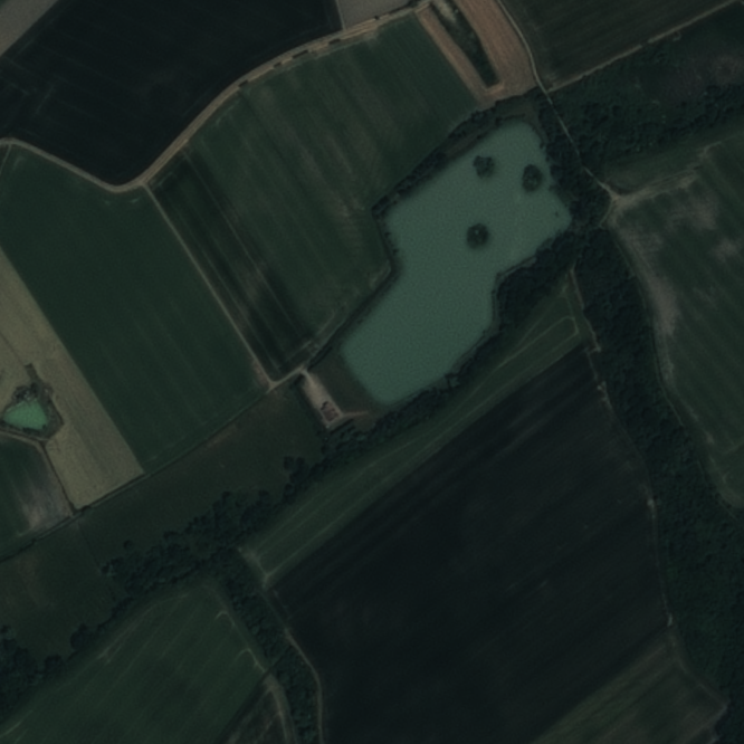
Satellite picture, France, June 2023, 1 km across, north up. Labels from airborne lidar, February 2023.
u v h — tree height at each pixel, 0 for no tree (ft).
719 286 0
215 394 0
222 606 0
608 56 0
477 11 0
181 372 0
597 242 51
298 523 0
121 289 0
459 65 0
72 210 0
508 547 0
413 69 0
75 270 0
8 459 0
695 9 0
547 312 0
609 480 0
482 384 0
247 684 0
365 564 0
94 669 0
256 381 0
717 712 0
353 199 0
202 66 0
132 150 0
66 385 0
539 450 0
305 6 0
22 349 0
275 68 0
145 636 0
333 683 0
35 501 0
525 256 0
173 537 51
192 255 0
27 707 0
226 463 0
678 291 0
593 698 0
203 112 0
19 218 0
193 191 0
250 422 0
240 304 0
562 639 0
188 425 0
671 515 23
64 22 0
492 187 0
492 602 0
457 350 0
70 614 0
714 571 19
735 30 0
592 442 0
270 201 0
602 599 0
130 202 0
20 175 0
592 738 0
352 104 0
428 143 0
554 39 0
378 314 0
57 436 0
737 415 0
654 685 0
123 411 0
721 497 28
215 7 0
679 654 0
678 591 20
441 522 0
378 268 0
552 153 41
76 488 0
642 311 36
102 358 0
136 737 0
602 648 0
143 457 0
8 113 0
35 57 0
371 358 0
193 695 0
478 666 0
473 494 0
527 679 0
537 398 0
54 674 19
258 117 0
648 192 0
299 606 0
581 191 26
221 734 0
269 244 0
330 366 0
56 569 0
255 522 75
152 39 0
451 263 0
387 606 0
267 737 0
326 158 0
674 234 0
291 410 0
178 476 0
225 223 0
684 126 50
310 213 0
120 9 0
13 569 0
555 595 0
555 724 0
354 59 0
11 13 0
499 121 40
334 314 0
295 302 0
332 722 0
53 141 0
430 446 0
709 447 0
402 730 0
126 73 0
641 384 29
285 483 0
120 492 0
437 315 0
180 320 0
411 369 0
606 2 0
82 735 0
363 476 0
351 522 0
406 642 0
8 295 0
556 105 25
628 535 0
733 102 43
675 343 0
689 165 0
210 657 0
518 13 0
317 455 0
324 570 0
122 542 0
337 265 0
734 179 0
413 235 0
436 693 0
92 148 0
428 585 0
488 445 0
